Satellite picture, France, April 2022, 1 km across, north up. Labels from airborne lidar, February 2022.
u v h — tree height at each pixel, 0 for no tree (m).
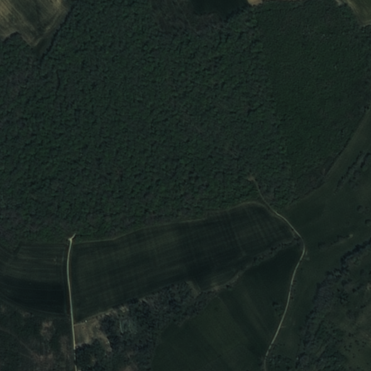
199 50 16
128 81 23
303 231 0
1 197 17
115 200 21
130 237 0
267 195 24
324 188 0
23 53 26
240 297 0
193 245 0
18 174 21
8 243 20
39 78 22
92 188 21
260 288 0
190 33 20
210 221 0
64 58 19
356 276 0
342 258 0
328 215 0
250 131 20
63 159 19
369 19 0
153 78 21
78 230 21
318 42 16
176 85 18
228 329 0
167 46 19
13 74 25
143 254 0
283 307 0
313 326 15
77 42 25
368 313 0
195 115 21
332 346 7
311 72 10
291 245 6
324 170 0
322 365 19
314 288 0
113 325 9
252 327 0
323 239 0
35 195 20
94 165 23
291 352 0
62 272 0
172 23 23
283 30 9
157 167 22
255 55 17
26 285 0
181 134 18
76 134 18
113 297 0
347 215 0
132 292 0
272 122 17
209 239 0
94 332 0
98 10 23
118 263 0
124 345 9
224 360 0
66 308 0
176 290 19
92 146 21
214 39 17
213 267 0
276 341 0
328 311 18
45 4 0
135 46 21
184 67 18
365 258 0
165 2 26
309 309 0
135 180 18
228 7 0
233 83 17
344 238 7
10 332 0
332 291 20
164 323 12
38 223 22
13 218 28
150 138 19
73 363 0
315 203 0
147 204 23
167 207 24
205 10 0
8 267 0
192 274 0
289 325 0
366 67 19
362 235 0
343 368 7
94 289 0
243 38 18
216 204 20
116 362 8
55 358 0
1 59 24
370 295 0
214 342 0
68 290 0
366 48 21
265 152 23
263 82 19
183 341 0
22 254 0
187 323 0
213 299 0
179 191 11
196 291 0
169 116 20
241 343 0
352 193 0
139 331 16
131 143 21
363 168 13
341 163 0
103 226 12
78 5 18
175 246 0
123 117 19
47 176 18
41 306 0
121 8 22
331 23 13
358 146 0
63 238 16
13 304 0
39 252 0
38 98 19
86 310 0
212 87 16
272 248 0
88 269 0
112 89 22
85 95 19
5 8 0
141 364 6
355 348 0
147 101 25
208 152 19
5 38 0
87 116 18
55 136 21
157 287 0
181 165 21
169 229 0
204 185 14
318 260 0
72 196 21
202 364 0
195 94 20
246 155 20
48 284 0
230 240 0
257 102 20
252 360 0
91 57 24
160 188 23
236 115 17
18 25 0
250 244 0
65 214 17
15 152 20
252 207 0
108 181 22
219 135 20
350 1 0
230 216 0
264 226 0
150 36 18
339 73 7
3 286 0
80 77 20
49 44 0
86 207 22
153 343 7
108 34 26
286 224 0
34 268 0
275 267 0
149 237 0
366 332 0
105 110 19
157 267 0
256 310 0
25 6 0
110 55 21
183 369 0
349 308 0
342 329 0
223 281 0
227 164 23
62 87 18
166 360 0
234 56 20
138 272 0
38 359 0
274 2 8
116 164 20
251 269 0
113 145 23
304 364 14
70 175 20
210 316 0
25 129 25
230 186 20
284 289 0
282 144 20
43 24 0
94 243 0
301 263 9
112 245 0
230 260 0
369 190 0
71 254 0
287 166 21
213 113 16
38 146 19
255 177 19
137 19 21
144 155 21
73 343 0
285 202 17
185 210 27
